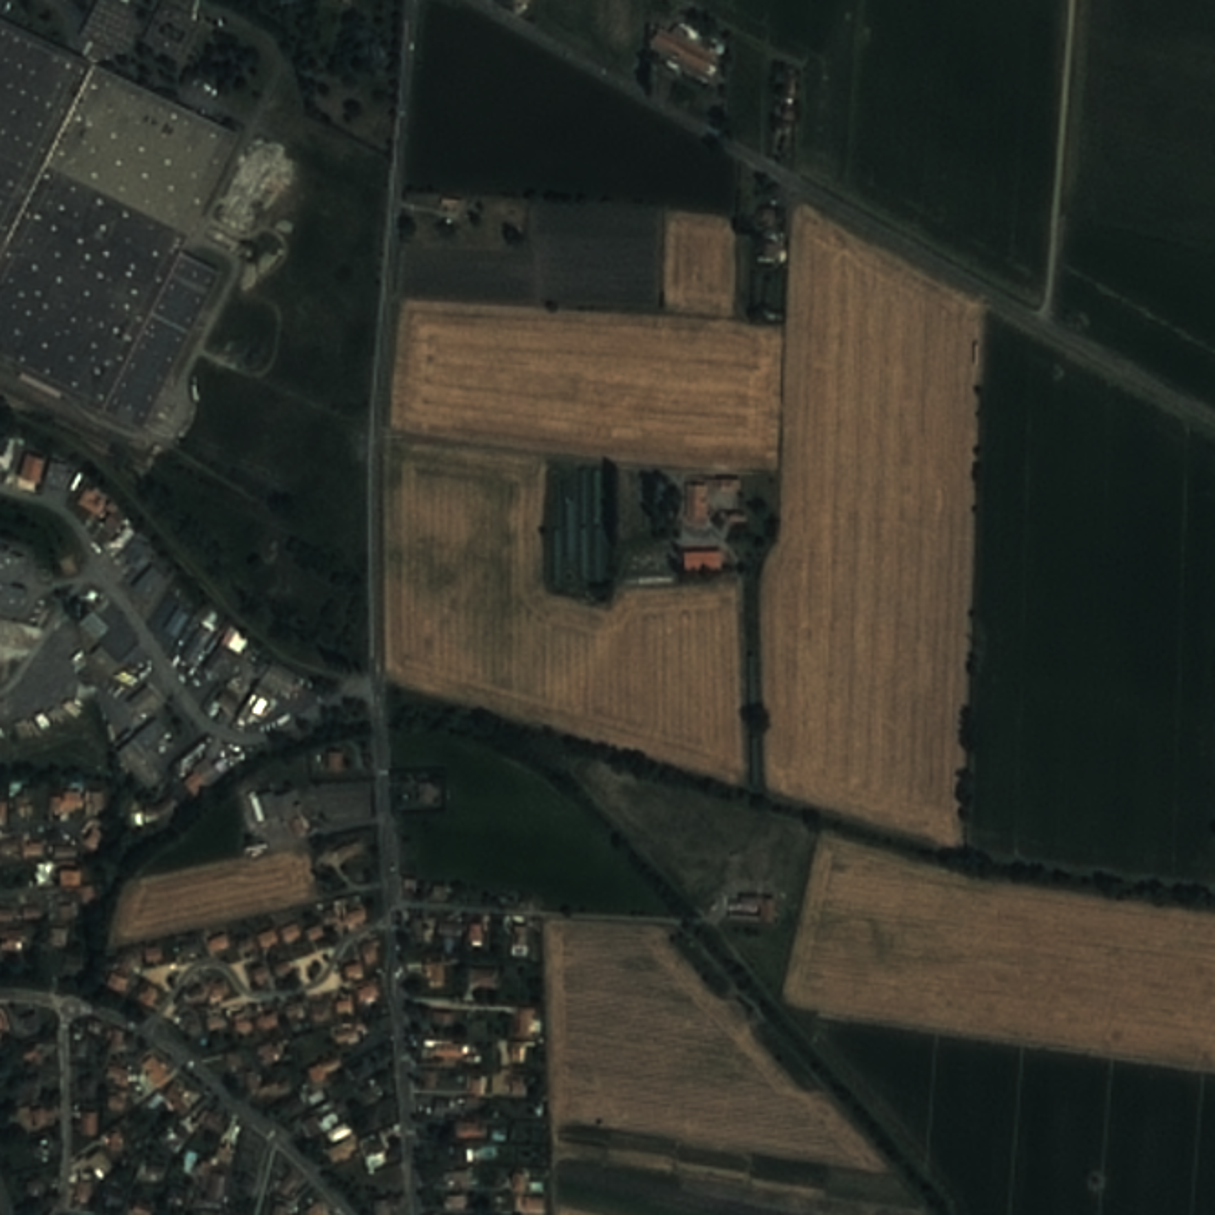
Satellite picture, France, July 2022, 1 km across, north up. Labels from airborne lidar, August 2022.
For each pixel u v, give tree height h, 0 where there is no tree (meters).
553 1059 0
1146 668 0
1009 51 0
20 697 0
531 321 0
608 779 0
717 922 0
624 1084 0
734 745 0
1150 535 0
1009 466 0
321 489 0
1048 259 0
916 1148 0
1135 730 0
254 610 19
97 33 0
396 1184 0
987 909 0
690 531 0
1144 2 0
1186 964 0
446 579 0
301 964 0
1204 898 14
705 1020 0
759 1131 0
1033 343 0
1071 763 0
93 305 0
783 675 0
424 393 0
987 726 0
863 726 0
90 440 0
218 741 0
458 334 0
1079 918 0
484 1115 7
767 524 9
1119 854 0
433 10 0
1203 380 0
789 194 0
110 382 0
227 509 0
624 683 0
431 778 8
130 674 0
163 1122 10
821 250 0
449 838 0
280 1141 0
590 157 0
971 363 0
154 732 0
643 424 0
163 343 0
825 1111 0
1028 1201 0
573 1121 0
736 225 9
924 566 0
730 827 0
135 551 0
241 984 0
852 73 0
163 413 0
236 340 0
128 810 0
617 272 0
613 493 24
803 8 0
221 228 0
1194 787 0
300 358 0
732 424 0
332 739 12
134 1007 14
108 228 0
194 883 0
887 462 0
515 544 0
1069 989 0
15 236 0
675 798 0
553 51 0
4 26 0
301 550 8
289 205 0
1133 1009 0
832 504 0
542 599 0
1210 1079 0
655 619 0
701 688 0
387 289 0
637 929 0
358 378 0
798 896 0
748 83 0
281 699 0
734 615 0
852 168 0
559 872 0
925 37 0
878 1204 0
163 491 22
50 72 0
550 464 0
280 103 0
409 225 12
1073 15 0
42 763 0
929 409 0
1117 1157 0
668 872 0
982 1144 0
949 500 0
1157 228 0
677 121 0
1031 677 0
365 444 0
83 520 0
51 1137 12
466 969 10
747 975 7
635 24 0
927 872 0
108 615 0
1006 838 0
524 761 11
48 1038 9
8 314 0
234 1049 14
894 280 0
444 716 6
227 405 0
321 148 0
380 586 0
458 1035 15
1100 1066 0
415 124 0
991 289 0
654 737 0
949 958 0
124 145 0
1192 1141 0
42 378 0
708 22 13
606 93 0
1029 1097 0
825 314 0
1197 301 0
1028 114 0
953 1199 0
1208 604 0
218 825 0
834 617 0
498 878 0
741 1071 0
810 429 0
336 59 5
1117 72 0
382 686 0
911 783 0
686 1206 0
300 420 0
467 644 0
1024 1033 0
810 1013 0
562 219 0
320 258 0
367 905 10
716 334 0
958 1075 0
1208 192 0
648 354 0
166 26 6
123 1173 13
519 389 0
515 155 0
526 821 0
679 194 0
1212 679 0
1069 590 0
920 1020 0
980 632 0
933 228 0
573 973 0
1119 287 0
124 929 0
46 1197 11
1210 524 0
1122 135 0
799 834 0
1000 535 0
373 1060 10
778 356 0
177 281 0
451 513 0
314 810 0
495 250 0
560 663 0
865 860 0
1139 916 0
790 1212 0
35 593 0
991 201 0
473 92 0
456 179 0
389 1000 0
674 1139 0
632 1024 0
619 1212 0
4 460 0
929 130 0
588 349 0
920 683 0
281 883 0
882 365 0
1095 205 0
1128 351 0
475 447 0
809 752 0
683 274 0
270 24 7
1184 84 0
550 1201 0
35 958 10
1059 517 0
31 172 0
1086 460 0
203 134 0
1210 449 0
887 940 0
